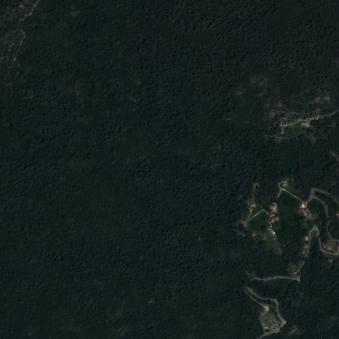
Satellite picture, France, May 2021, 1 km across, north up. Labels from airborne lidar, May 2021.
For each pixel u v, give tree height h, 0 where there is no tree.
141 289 7
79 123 6
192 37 6
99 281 9
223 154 12
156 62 10
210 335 10
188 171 17
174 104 7
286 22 12
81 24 19
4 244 6
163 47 7
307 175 8
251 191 28
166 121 7
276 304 21
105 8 12
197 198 9
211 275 18
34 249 14
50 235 11
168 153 16
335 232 12
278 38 6
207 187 18
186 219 11
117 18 22
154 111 8
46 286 8
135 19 28
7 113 15
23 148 14
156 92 14
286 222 11
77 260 17
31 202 7
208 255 10
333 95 6
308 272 17
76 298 17
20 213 12
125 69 6
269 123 7
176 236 11
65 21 11
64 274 13
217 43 14
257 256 14
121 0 21
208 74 20
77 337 7
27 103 13
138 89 11
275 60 22
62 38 13
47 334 9
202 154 13
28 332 6
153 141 11
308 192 11
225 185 13
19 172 19
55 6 18
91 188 8
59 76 11
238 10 11
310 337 19
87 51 15
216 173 16
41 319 9
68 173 6
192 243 12
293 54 18
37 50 24
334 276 7
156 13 12
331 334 15
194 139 11
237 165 10
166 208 10
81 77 11
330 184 7
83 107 13
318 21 6
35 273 9
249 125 11
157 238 12
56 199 13
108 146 21
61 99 11
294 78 10
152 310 12
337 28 20
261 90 8
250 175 18
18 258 17
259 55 11
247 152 26
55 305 9
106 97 17
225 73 26
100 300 8
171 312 8
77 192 21
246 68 8
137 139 8
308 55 22
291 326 19
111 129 14
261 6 9
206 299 11
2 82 10
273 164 19
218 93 8
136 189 10
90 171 8
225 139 23
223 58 24
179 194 22
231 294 10
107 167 12
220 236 9
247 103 7
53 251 10
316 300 9
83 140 11
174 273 24
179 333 6
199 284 25
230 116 7
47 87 8
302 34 21
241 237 15
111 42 10
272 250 8
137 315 10
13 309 10
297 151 8
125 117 10
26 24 17
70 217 24
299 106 10
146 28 25
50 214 9
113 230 9
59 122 23
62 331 9
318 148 12
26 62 11
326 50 20
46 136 11
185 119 25
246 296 15
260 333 6
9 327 14
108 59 11
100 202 11
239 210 21
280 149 12
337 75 11
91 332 11
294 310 22
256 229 0
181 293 20
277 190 9
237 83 11
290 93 11
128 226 10
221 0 10
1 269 12
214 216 7
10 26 10
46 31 8
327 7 23
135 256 9
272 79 8
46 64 10
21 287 17
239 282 17
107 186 11
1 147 12
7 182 21
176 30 8
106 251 15
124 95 8
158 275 15
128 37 12
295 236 14
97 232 12
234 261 14
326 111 18
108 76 6
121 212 11
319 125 16
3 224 16
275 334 10
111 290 8
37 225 16
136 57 11
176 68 23
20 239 14
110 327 20
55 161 19
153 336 18
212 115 11
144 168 12
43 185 6
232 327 7
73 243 11
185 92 13
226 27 12
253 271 9
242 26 23
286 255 13
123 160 15
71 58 13
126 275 11
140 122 19
